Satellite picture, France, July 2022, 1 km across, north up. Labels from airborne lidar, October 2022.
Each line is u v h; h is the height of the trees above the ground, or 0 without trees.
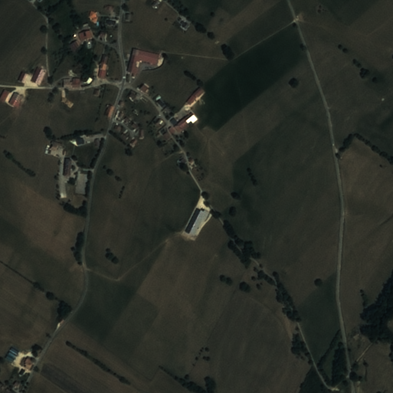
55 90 13
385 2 0
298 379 0
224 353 0
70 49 7
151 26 0
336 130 0
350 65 0
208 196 16
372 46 0
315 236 0
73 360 0
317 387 0
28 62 0
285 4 0
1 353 0
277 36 0
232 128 0
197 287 0
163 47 0
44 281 0
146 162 0
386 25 0
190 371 0
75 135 9
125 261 0
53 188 0
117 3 0
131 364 0
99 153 9
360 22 0
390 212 0
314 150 0
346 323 0
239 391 0
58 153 0
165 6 0
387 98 0
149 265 0
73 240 0
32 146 0
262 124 0
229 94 0
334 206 0
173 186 0
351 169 0
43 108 0
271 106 0
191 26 0
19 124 0
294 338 6
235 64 0
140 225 0
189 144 0
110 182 0
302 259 0
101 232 0
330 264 0
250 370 0
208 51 0
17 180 0
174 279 0
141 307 0
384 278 0
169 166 0
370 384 0
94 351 0
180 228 0
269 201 0
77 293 0
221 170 0
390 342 18
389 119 0
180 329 0
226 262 0
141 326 0
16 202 0
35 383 0
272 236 0
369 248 0
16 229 0
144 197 0
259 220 0
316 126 0
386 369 0
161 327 0
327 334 0
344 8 0
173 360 0
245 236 0
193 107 0
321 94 0
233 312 0
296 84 17
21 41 0
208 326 0
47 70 0
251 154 0
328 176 0
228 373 0
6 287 0
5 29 0
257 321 0
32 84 0
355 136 6
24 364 0
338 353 18
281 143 0
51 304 0
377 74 0
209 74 0
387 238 0
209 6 0
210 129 0
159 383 0
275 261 0
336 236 0
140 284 0
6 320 0
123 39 0
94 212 0
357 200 0
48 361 0
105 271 0
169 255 0
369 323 25
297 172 0
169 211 0
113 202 0
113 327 0
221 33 0
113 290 0
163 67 0
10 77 0
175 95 0
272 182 0
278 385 0
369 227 0
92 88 0
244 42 0
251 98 0
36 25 0
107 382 0
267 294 0
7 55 0
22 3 0
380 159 0
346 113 0
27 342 0
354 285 0
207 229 0
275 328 0
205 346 0
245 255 14
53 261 0
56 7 10
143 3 0
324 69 0
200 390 18
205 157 0
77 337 0
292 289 0
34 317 0
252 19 0
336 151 0
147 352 0
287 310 8
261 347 0
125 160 0
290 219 0
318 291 0
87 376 0
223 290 0
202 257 0
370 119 0
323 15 0
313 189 0
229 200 0
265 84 0
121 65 0
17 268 0
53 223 0
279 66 0
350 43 0
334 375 11
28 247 0
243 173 0
